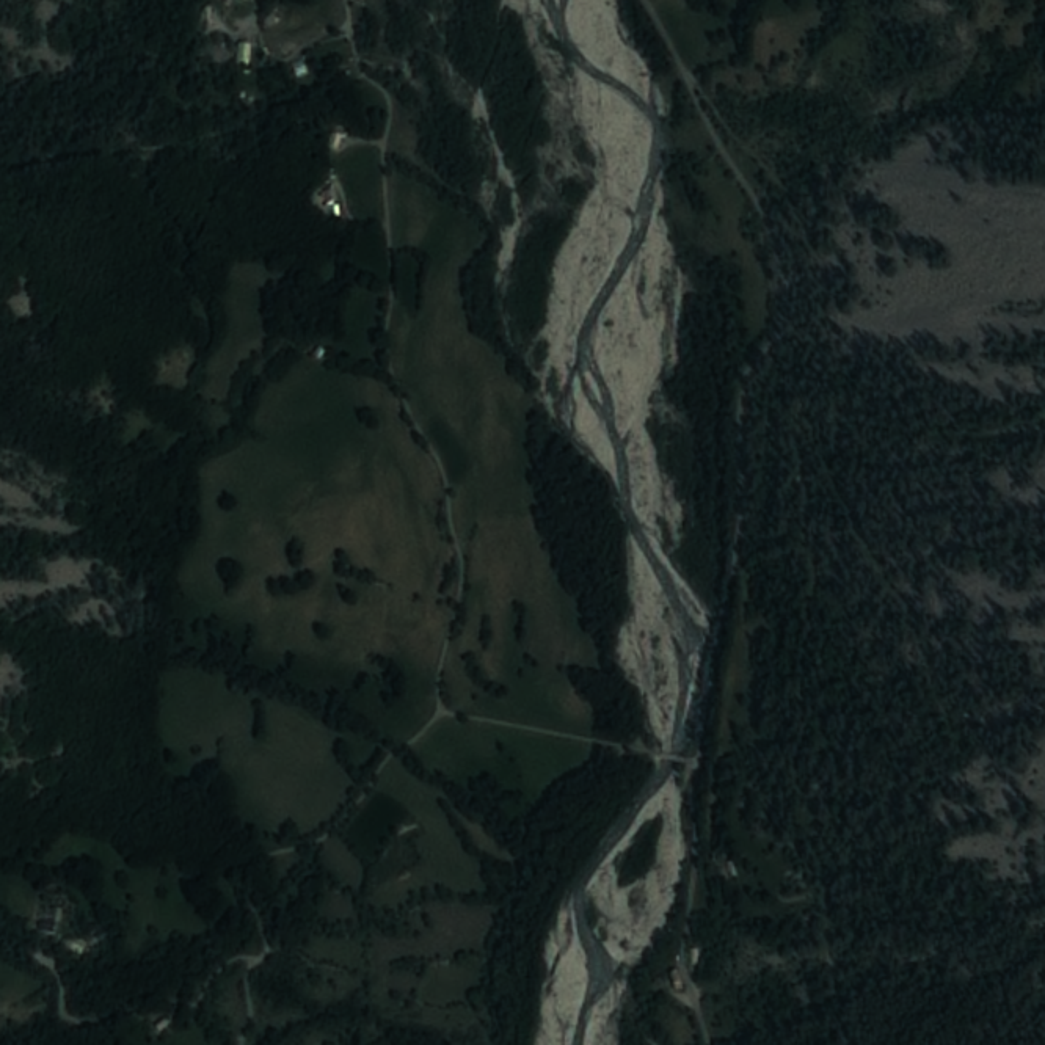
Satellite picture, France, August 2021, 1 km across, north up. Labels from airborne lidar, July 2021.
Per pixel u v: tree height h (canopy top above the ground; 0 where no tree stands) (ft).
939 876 37
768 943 30
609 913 0
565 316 0
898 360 90
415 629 0
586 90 0
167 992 71
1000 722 34
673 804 0
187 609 0
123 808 94
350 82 21
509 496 0
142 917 0
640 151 0
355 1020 40
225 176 62
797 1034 71
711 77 19
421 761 36
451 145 32
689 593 0
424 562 0
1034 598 0
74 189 88
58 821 88
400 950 0
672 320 0
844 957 29
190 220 78
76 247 85
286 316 54
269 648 0
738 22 55
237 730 0
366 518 0
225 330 38
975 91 45
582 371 0
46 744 49
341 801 0
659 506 0
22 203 99
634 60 0
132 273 87
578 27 0
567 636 0
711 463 56
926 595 85
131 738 112
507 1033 44
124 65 42
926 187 0
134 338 70
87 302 71
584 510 63
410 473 0
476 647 0
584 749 0
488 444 0
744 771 22
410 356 0
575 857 24
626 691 68
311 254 77
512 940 47
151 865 48
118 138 40
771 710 38
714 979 35
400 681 62
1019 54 49
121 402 48
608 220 0
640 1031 25
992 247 0
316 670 0
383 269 0
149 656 70
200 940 48
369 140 25
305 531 0
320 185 67
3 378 82
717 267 37
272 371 50
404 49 35
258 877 85
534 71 30
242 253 67
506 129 23
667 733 0
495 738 0
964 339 0
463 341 0
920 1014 31
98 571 50
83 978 54
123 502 46
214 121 30
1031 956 43
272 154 69
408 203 0
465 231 0
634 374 0
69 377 58
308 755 0
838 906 29
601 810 34
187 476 66
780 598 35
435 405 0
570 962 0
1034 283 0
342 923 26
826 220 36
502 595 0
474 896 31
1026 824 40
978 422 51
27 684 39
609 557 35
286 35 0
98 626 68
